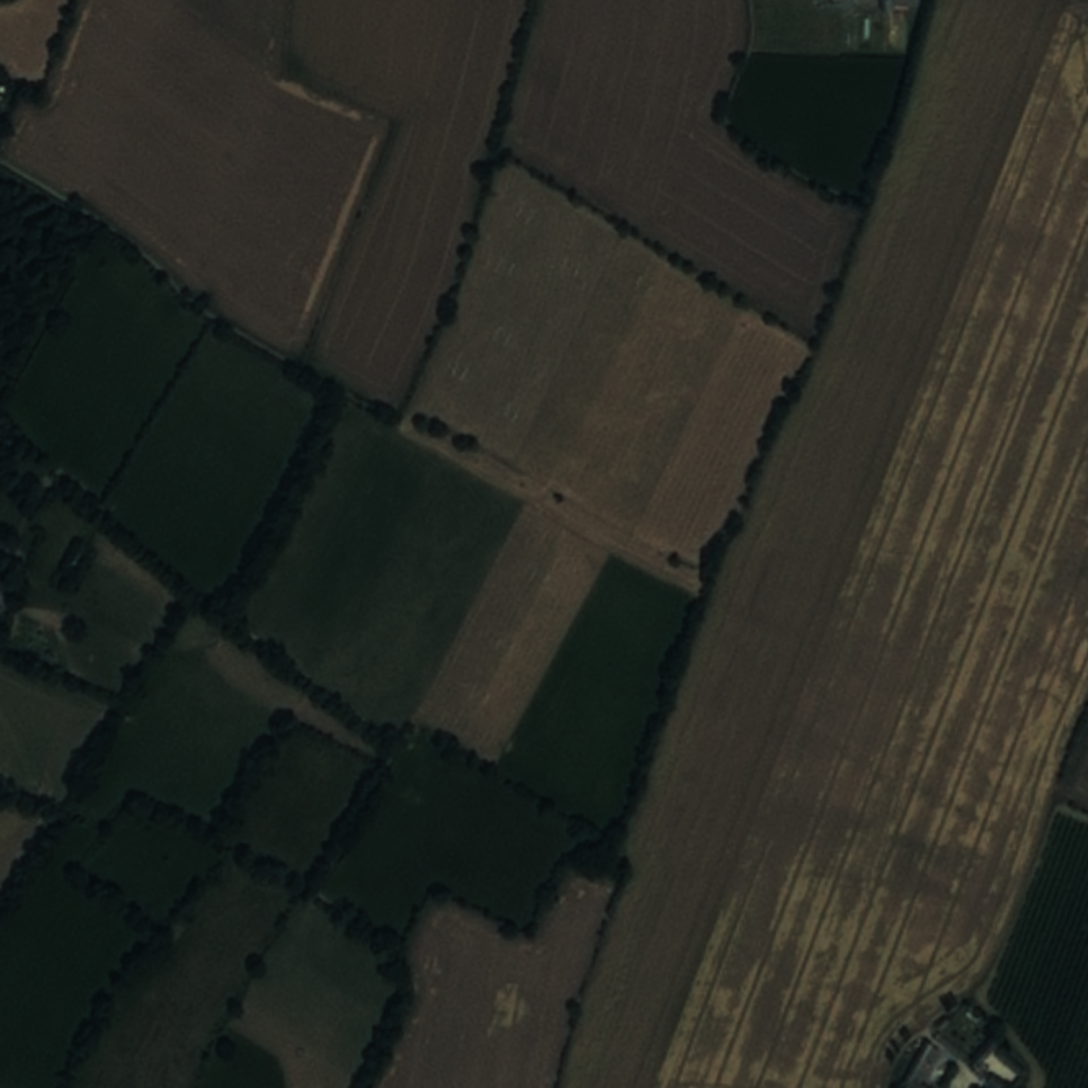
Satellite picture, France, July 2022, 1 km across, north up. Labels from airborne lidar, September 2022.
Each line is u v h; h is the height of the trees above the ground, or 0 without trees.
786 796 0
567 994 0
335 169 0
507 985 0
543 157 0
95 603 0
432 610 0
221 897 0
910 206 0
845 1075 0
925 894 0
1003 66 0
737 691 0
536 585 0
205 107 0
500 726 0
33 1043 0
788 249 0
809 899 0
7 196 17
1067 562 0
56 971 0
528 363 0
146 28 0
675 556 8
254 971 15
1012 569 0
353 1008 0
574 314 0
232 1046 12
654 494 0
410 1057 0
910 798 0
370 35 0
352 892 0
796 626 0
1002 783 0
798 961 0
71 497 16
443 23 0
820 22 0
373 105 0
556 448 0
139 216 0
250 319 0
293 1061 0
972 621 0
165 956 0
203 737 0
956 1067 10
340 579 0
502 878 0
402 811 0
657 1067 0
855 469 0
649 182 0
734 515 11
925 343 0
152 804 13
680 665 16
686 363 0
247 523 0
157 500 0
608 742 0
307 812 0
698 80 0
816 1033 0
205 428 0
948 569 0
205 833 19
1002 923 0
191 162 0
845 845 0
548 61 0
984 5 0
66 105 0
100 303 0
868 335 0
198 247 0
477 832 0
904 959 0
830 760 0
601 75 0
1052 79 0
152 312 0
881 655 0
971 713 0
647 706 0
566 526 0
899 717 0
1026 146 0
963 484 0
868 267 0
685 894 0
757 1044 0
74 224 20
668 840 0
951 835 0
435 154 0
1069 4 0
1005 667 0
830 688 0
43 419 0
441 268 0
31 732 0
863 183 8
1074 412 0
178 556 0
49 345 0
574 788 0
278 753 19
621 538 0
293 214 0
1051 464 0
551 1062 0
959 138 0
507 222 0
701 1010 0
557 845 0
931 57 0
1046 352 0
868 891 0
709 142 0
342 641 0
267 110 0
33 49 0
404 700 0
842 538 0
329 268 0
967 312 0
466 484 0
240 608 20
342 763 0
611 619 0
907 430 0
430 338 10
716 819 0
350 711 9
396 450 0
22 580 18
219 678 0
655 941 0
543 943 0
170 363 0
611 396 0
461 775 0
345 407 5
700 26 0
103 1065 0
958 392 0
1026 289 0
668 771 0
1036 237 0
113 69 0
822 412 0
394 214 0
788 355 0
